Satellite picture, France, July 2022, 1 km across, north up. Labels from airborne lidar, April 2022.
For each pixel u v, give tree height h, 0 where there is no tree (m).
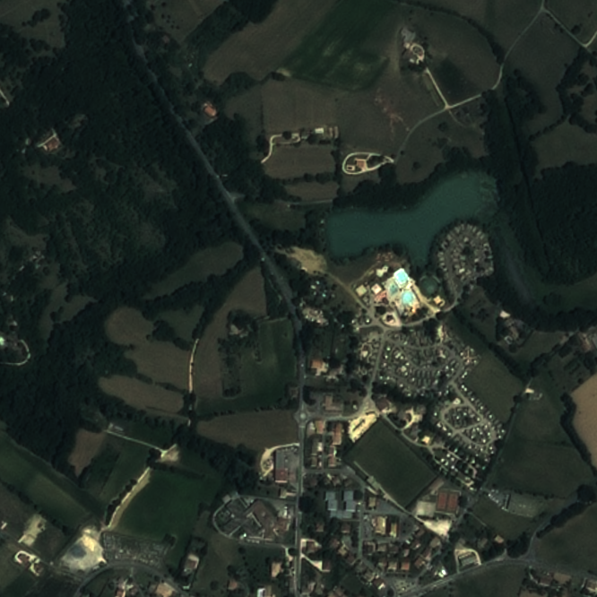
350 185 0
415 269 7
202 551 10
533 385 0
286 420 0
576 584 0
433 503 0
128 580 6
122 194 9
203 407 0
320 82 0
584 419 0
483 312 8
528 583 8
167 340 11
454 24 0
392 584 0
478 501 0
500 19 0
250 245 17
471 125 0
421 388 0
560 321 12
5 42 14
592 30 0
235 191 10
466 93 0
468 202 0
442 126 6
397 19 0
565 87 11
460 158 13
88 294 17
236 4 15
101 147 17
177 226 19
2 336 0
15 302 8
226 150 7
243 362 0
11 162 14
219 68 0
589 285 0
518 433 0
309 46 0
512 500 0
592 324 6
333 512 0
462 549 0
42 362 19
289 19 0
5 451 0
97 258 10
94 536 0
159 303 15
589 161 0
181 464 0
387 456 0
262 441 0
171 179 12
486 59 0
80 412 20
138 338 0
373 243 0
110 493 0
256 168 15
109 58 20
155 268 13
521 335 11
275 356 0
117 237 10
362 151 0
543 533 10
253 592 7
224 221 21
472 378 0
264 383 0
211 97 10
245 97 0
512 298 18
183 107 7
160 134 22
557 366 0
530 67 0
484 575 0
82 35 13
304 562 0
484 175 0
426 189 12
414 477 0
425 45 7
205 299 8
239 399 0
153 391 0
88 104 19
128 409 13
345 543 0
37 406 25
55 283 0
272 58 0
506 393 0
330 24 0
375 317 0
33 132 17
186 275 0
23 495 8
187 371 0
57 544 0
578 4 0
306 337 15
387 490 0
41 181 0
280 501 0
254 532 0
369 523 0
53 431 19
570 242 12
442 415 0
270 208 0
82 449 0
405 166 0
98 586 0
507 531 0
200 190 13
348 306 0
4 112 13
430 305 0
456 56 0
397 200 12
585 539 0
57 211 10
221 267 0
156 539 0
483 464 13
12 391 12
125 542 0
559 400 0
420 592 0
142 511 0
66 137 15
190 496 0
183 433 15
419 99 0
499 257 7
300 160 0
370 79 0
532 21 0
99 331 15
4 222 10
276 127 0
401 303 0
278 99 0
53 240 9
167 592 0
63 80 19
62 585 0
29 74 10
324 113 0
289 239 17
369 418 0
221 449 9
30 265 12
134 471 0
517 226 8
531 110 14
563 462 0
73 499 0
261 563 0
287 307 8
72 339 7
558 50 0
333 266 0
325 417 0
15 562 0
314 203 0
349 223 0
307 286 7
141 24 17
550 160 0
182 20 0
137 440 0
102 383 0
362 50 0
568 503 0
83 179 12
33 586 0
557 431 0
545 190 11
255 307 0
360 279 0
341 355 0
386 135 0
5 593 0
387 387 12
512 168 17
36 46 13
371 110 0
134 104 18
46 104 14
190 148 21
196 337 10
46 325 0
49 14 10
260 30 0
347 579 0
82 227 11
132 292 13
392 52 0
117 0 19
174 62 6
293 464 0
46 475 0
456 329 0
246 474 28
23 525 0
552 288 0
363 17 0
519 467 0
